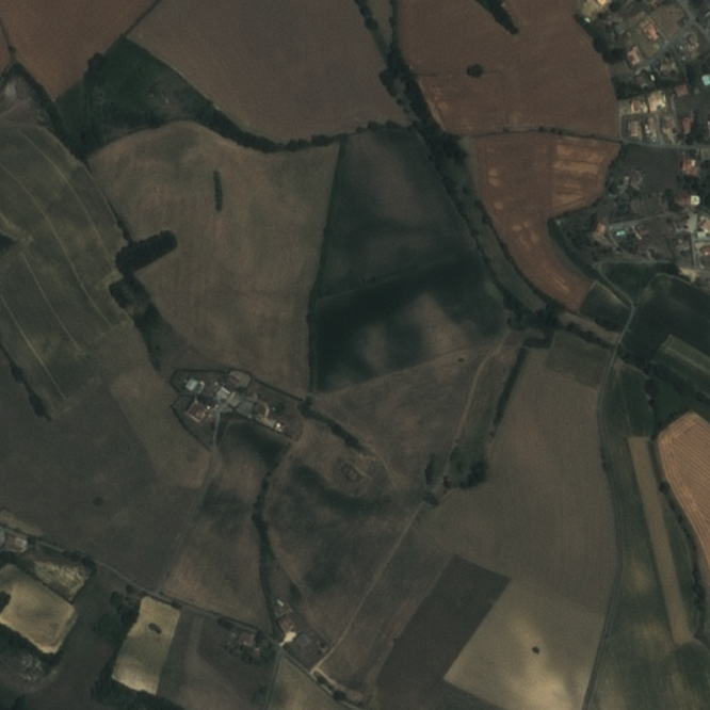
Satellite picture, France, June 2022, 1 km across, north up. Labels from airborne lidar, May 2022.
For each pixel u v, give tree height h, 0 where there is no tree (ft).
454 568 0
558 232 17
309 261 0
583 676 0
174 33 0
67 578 0
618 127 0
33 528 0
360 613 0
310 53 0
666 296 0
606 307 0
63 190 0
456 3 0
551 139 0
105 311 0
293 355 0
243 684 0
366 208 0
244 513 0
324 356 0
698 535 0
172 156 0
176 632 0
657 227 0
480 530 0
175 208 0
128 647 0
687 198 0
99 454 0
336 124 0
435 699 0
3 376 0
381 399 0
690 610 0
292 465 0
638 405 0
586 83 0
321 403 0
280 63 0
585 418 0
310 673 0
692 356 0
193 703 0
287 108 0
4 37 0
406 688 0
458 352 0
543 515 0
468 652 0
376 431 0
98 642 0
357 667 0
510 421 0
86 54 0
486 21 0
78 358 0
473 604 0
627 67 0
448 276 0
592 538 0
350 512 0
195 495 0
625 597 0
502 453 0
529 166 0
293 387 0
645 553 0
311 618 0
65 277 0
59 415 0
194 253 0
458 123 0
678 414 29
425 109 39
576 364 0
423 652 0
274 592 0
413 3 0
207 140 0
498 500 0
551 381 0
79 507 0
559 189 0
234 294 0
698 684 0
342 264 0
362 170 0
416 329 0
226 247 0
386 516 0
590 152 0
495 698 0
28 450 0
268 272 0
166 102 0
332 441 0
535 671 0
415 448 0
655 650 0
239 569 0
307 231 0
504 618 0
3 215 0
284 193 0
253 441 0
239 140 44
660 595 0
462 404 0
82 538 0
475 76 49
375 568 0
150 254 49
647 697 0
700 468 0
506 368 0
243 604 0
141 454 0
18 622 0
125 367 0
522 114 0
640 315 0
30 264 0
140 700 24
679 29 0
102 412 0
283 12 0
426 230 0
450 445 0
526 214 0
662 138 0
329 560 0
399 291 0
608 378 0
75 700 0
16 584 0
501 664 0
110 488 0
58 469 0
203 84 0
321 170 0
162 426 0
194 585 0
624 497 0
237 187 0
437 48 0
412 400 0
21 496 0
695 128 27
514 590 0
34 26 0
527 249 0
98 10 0
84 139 41
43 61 0
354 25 0
